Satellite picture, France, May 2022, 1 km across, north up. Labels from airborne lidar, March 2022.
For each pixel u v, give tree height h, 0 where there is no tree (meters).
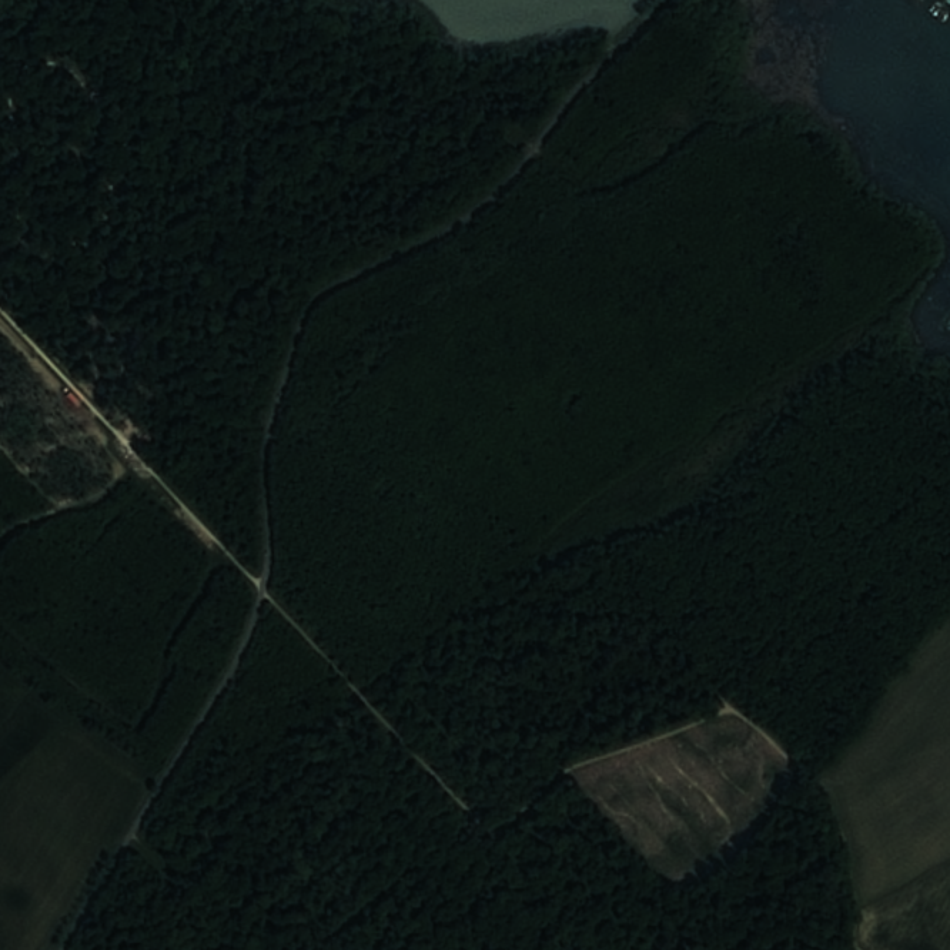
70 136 27
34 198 28
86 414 0
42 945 0
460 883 27
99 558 12
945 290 0
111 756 0
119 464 0
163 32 22
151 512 7
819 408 18
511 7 0
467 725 29
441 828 22
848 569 18
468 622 26
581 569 24
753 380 16
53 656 10
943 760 0
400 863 26
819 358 0
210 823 27
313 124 22
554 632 25
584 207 17
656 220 11
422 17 7
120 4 24
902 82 0
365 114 29
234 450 21
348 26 18
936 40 0
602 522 0
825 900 27
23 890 0
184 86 27
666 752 0
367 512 12
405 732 22
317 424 10
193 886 27
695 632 18
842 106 0
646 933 21
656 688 19
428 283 18
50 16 26
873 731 0
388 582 12
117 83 26
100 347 26
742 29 12
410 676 24
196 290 30
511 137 0
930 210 0
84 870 0
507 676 31
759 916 27
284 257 27
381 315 13
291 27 26
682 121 0
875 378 19
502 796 22
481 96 24
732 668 16
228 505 17
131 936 26
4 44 27
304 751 29
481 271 19
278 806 27
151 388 28
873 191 6
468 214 0
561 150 8
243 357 25
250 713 7
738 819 0
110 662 12
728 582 20
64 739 0
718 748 0
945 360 17
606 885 23
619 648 30
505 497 11
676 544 17
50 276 26
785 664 17
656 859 0
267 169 28
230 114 28
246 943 25
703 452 0
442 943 29
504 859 25
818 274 14
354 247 27
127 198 22
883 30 0
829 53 0
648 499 0
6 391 10
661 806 0
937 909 0
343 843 28
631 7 0
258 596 0
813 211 12
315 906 28
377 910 20
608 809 0
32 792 0
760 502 17
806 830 25
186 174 20
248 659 10
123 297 25
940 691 0
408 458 11
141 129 29
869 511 18
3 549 11
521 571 10
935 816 0
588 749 24
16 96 25
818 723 20
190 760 12
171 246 28
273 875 29
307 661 10
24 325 22
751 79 0
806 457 17
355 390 8
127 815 0
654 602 19
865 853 0
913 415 18
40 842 0
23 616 17
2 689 0
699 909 31
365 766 27
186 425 27
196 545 10
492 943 21
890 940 0
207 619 11
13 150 28
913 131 0
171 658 9
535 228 18
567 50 19
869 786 0
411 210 28
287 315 23
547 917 21
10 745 0
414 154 27
